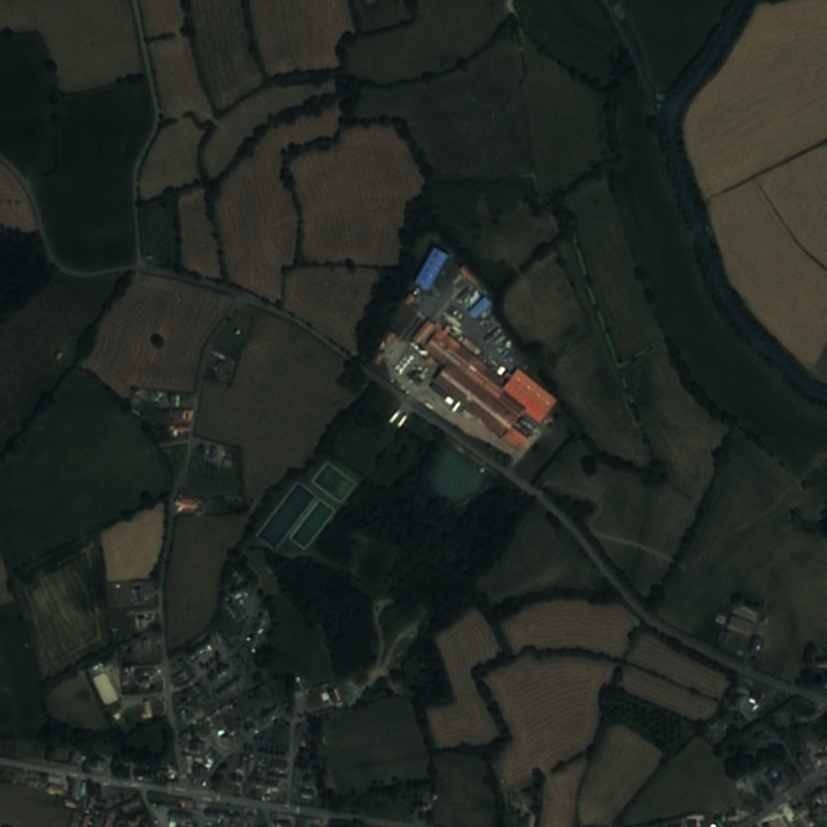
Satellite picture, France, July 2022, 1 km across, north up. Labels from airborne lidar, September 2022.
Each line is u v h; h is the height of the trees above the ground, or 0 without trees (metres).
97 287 0
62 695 0
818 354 0
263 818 0
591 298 0
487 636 0
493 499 15
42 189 0
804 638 0
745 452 0
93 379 8
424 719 12
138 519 0
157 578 10
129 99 0
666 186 0
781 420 0
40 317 0
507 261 0
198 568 0
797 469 0
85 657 7
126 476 0
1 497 0
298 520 0
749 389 0
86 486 0
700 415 0
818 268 0
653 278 0
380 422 9
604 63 0
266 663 9
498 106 0
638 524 0
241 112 0
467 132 0
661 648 0
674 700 0
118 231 0
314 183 0
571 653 7
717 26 10
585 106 0
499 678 0
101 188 0
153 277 0
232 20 0
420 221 13
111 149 0
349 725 0
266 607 7
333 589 14
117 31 0
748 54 0
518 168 0
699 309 0
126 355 0
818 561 0
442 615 8
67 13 0
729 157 0
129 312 0
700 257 9
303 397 0
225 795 0
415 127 0
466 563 19
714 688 0
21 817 0
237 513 8
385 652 0
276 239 0
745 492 0
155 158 0
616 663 6
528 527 0
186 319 0
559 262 6
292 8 0
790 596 0
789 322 0
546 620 0
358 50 0
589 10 0
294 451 0
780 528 0
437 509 14
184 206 0
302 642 0
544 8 0
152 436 9
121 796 7
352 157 0
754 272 0
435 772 10
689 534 10
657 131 15
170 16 0
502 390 0
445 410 0
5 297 23
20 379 0
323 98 9
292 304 0
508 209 0
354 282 0
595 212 0
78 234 0
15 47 0
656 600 15
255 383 0
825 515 6
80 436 0
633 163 0
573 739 0
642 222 0
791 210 0
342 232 0
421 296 0
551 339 0
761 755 11
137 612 0
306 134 0
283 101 0
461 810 0
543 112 0
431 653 13
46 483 0
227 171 7
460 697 0
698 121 0
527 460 0
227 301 0
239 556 15
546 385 6
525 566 0
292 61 0
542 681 0
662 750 10
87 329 11
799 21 0
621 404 0
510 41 0
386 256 0
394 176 0
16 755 0
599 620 0
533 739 0
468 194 0
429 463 13
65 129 0
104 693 0
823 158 0
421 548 13
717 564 0
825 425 0
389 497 6
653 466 8
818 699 0
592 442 9
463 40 0
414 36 0
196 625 0
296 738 0
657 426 0
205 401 0
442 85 0
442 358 0
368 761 0
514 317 0
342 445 0
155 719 9
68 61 0
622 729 0
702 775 0
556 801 0
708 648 0
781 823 0
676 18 0
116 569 0
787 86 0
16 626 0
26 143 0
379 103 0
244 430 0
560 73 0
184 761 0
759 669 0
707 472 0
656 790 0
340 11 0
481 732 0
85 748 19
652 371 0
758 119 0
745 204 0
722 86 0
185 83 0
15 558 0
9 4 0
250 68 0
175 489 0
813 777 0
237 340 0
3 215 0
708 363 0
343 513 8
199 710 0
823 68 0
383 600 0
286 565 10
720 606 0
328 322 0
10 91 0
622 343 0
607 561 13
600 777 0
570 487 0
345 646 9
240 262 0
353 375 8
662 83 0
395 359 0
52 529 0
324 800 7
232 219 0
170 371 0
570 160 0
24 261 21
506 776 0
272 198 0
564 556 0
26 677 0
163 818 0
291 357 0
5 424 0
